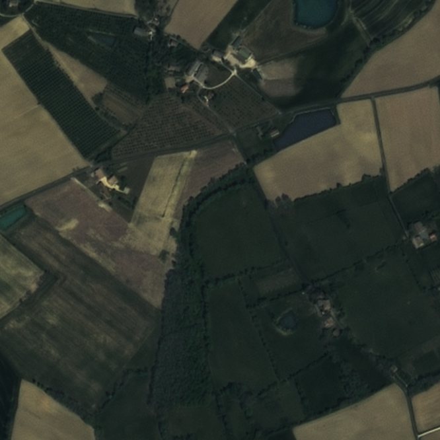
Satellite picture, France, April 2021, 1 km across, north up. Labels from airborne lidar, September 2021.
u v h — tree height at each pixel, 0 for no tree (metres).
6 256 0
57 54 0
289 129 0
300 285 0
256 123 0
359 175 0
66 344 0
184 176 0
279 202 11
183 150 0
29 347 0
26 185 0
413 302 0
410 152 0
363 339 0
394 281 0
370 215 0
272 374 0
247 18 0
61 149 0
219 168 0
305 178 0
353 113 0
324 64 0
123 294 0
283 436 0
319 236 0
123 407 0
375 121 0
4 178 0
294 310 0
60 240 0
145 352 0
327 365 0
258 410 0
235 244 0
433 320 0
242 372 0
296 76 0
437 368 0
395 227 0
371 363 13
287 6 0
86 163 0
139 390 0
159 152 0
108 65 6
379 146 0
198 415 0
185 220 9
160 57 7
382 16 0
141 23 12
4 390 0
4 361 0
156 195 0
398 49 0
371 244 0
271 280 0
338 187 10
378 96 0
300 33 0
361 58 0
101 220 0
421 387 21
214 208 0
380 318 0
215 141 0
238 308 0
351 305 0
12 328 0
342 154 0
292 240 0
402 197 0
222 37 0
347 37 0
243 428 0
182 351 19
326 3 0
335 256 0
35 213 0
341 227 0
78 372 0
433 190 0
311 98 0
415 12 0
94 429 10
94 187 0
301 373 8
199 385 21
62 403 21
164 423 16
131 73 6
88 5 0
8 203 0
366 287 0
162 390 19
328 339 12
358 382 24
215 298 0
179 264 18
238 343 0
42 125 0
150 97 9
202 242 0
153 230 0
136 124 0
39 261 0
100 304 0
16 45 0
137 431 0
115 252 0
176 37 8
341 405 18
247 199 0
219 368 0
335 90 0
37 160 0
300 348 0
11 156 0
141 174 0
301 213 0
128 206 11
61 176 0
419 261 0
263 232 0
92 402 0
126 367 0
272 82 0
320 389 0
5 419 0
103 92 0
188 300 22
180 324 14
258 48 0
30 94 0
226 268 0
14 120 0
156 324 0
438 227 0
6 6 13
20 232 0
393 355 0
